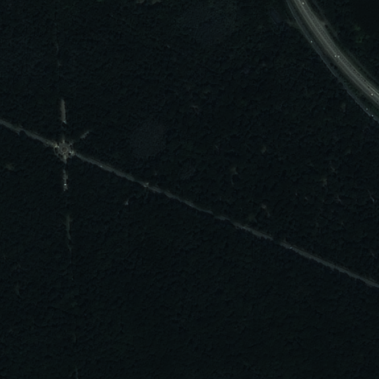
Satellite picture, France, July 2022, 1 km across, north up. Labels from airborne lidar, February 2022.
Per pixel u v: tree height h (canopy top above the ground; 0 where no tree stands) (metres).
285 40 18
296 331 22
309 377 25
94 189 14
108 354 16
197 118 25
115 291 24
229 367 21
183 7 15
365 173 13
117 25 13
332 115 15
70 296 23
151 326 22
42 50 17
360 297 23
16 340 22
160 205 23
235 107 26
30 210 17
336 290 18
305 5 0
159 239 21
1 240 9
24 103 19
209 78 22
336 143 22
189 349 26
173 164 23
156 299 21
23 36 19
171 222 20
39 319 22
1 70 19
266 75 17
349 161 18
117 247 18
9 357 23
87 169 15
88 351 20
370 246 23
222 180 26
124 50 23
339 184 12
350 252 22
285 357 25
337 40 9
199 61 9
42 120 19
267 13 9
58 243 12
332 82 14
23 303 19
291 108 20
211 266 21
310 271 26
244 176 24
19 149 18
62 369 25
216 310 21
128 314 24
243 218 23
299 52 10
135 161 18
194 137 23
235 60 14
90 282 20
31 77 10
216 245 22
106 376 25
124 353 20
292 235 24
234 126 25
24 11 22
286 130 16
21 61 19
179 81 16
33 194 14
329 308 21
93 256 16
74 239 15
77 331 20
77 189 19
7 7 18
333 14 9
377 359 29
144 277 21
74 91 18
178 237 21
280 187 27
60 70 16
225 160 22
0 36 23
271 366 18
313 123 14
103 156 17
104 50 19
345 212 24
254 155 26
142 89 20
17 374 24
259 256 19
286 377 25
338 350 22
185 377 23
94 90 10
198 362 26
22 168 13
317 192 22
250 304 23
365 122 20
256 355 21
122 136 11
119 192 20
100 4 16
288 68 14
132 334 24
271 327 28
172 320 21
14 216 12
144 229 19
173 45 15
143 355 24
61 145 0
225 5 22
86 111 12
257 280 21
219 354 20
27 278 21
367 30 13
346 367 22
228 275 20
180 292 23
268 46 15
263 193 20
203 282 16
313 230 22
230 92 27
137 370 23
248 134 25
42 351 26
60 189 16
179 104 21
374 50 25
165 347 24
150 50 18
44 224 13
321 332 25
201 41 27
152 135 16
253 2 16
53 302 20
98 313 23
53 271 18
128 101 18
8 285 11
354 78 0
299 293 21
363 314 24
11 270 14
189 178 15
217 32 20
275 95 19
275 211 22
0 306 16
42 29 16
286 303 24
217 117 28
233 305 23
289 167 24
